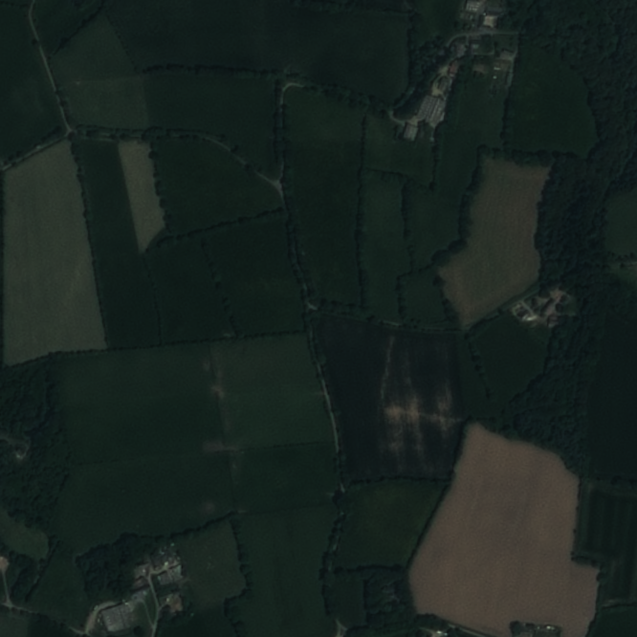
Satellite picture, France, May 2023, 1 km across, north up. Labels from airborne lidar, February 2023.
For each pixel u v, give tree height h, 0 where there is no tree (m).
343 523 18
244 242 0
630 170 21
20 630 0
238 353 0
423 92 13
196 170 0
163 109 0
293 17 0
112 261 0
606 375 0
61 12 0
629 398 0
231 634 0
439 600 0
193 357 0
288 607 0
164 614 6
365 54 0
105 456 0
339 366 0
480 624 0
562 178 26
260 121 0
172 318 0
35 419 20
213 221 0
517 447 0
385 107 11
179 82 0
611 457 0
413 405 0
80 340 0
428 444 0
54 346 0
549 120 0
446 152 0
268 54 0
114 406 0
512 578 0
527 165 14
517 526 0
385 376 0
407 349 0
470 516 0
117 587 9
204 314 0
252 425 0
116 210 0
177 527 0
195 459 0
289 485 0
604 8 23
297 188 0
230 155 6
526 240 0
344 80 0
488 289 0
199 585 0
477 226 0
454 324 14
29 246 0
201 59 0
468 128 0
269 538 0
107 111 0
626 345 0
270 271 0
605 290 18
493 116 0
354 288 0
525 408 17
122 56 0
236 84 0
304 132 0
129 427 0
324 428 0
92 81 0
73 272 0
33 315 0
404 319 9
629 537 0
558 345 20
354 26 0
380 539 0
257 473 0
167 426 0
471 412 0
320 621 0
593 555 0
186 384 0
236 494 0
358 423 0
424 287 0
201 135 6
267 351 0
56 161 0
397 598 19
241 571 10
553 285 20
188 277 0
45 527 14
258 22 0
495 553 0
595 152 15
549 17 26
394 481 6
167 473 0
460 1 0
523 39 14
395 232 0
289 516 0
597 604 7
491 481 0
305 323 8
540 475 0
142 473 0
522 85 0
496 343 0
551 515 0
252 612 0
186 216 0
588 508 0
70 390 0
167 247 11
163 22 0
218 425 0
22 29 0
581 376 24
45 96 0
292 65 0
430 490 0
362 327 0
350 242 0
